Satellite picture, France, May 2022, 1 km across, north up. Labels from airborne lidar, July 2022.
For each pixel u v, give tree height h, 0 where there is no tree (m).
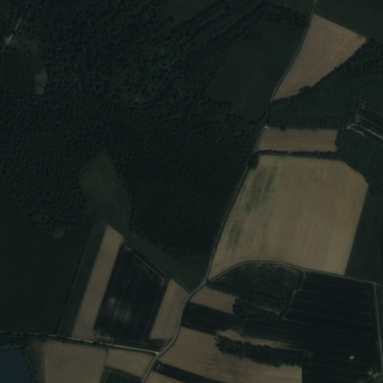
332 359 0
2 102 21
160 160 19
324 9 0
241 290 8
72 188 18
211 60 26
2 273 0
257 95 0
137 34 28
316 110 26
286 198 0
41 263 0
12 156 8
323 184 0
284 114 24
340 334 0
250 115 0
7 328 0
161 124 22
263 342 0
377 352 0
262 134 0
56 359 0
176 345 0
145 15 17
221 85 0
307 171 0
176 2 0
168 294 0
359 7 0
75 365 0
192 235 19
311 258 0
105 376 0
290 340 0
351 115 23
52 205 18
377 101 25
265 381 0
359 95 20
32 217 19
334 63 0
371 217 0
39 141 16
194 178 19
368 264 0
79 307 0
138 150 18
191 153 22
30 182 20
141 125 21
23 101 18
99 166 0
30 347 13
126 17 29
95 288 0
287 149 0
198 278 0
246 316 22
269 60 0
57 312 0
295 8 0
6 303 0
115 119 20
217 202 17
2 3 0
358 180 0
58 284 0
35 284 0
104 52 28
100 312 0
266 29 0
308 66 0
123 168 16
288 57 0
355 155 24
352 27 0
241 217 0
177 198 19
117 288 0
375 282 0
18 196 17
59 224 16
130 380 0
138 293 0
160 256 0
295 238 0
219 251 0
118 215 0
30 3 25
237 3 26
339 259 0
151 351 0
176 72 30
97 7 32
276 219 0
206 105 23
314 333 0
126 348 0
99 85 31
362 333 0
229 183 19
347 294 0
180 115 25
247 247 0
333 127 19
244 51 0
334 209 0
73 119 20
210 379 0
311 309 0
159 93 14
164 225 19
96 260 0
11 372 0
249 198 0
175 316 0
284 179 0
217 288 12
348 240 0
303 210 0
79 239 0
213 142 20
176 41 17
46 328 0
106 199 0
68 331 0
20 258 0
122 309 0
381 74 19
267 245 0
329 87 23
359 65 24
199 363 0
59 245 0
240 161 18
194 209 19
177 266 0
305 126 21
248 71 0
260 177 0
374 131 0
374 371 0
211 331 0
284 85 0
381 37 0
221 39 24
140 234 15
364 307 0
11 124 18
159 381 0
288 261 0
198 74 22
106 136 9
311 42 0
